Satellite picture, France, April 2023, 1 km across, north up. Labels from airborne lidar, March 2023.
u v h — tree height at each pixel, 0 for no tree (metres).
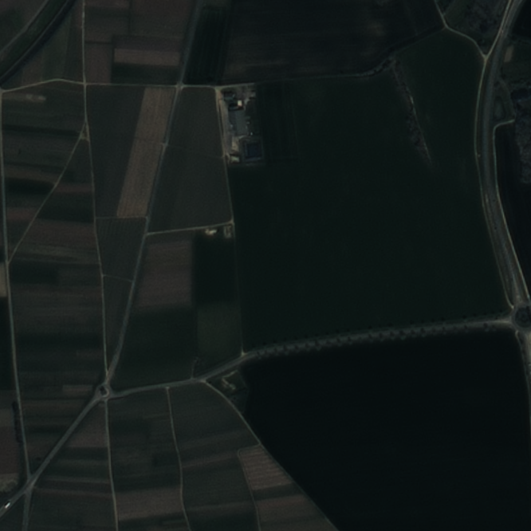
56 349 0
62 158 0
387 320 0
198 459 0
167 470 0
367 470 0
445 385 0
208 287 0
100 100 0
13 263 0
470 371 0
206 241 0
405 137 0
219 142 0
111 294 0
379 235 0
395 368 0
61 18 0
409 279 0
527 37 0
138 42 0
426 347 0
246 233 0
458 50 0
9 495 14
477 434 0
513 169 0
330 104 0
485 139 0
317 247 0
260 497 0
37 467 0
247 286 0
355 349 0
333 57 0
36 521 0
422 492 0
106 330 0
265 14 0
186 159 0
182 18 0
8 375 0
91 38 0
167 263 0
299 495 0
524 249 0
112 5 0
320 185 0
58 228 0
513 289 0
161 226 0
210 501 0
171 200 0
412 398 0
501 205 0
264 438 0
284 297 0
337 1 0
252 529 0
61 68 0
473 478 0
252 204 0
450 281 0
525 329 0
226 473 0
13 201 0
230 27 0
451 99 0
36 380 0
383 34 0
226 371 0
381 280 0
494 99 0
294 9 0
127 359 0
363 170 0
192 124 0
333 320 0
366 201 0
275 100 0
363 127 0
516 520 0
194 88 0
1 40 0
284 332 0
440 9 8
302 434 0
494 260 0
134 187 0
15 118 0
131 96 0
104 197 0
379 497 0
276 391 0
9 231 0
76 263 0
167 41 0
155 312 0
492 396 0
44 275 0
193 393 0
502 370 0
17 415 15
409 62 0
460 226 0
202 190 0
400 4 0
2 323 0
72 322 0
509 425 0
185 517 0
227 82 0
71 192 0
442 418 0
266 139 0
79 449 0
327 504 0
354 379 0
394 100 0
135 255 0
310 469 0
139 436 0
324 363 0
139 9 0
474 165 0
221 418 0
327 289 0
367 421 0
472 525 0
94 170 0
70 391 0
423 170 0
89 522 0
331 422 0
